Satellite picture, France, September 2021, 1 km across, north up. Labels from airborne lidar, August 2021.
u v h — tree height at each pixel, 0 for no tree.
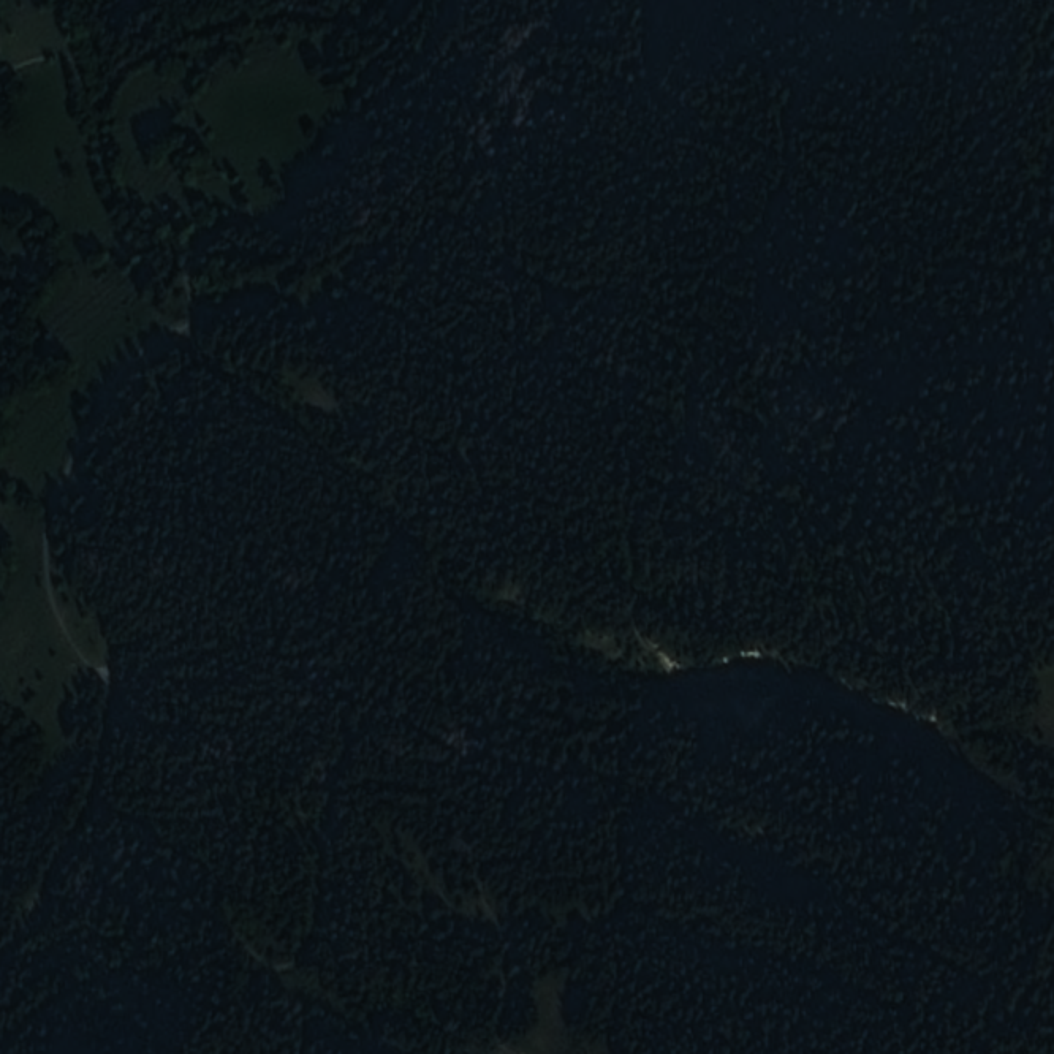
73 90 16
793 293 23
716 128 22
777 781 28
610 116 33
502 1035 9
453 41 29
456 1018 11
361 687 31
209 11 19
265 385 16
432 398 34
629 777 19
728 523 14
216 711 19
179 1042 20
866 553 7
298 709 30
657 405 22
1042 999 16
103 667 0
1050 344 19
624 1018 27
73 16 26
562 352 26
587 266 29
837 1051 26
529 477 15
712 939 16
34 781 12
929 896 33
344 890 20
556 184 30
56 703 0
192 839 13
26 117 0
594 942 27
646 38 10
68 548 18
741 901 20
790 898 14
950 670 7
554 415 28
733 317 15
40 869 23
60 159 8
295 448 31
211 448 30
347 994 9
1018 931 9
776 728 22
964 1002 17
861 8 26
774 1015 27
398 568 21
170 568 24
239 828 17
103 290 0
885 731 11
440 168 33
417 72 24
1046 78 42
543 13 21
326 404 0
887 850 26
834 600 9
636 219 25
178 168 15
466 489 27
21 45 0
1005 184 23
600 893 30
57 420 0
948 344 25
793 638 24
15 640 0
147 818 15
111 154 17
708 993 29
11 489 13
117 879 20
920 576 8
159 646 22
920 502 9
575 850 29
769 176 25
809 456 31
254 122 0
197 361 19
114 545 22
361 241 27
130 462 31
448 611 27
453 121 31
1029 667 27
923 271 17
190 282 13
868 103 31
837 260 13
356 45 20
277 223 0
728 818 14
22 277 16
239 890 16
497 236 36
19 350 21
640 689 8
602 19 28
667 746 23
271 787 16
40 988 17
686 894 22
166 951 28
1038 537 10
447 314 30
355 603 32
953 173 34
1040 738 12
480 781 13
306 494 32
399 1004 11
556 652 10
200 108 0
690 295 22
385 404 33
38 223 22
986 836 24
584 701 23
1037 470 28
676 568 20
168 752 18
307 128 12
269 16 16
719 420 7
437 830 17
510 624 9
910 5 29
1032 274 20
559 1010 0
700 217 12
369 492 9
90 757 15
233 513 32
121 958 9
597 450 29
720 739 9
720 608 7
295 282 23
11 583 0
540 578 15
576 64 25
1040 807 6
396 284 27
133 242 16
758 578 8
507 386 29
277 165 0
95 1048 7
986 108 28
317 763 26
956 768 5
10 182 0
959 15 25
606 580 18
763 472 14
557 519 29
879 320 9
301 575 31
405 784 21
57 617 0
